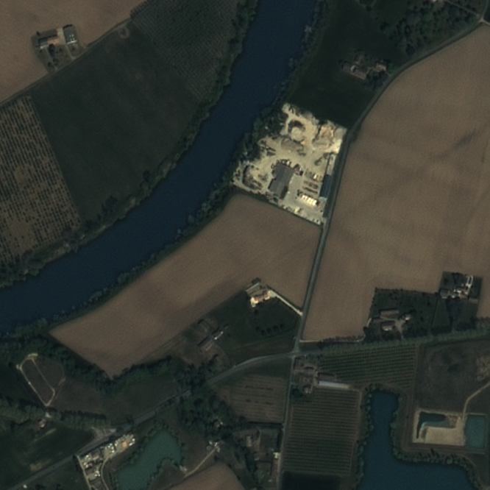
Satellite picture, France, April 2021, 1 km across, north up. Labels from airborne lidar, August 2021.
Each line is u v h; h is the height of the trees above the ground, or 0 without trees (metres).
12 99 0
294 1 0
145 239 0
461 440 0
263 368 0
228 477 0
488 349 0
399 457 7
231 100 0
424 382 0
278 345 0
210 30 25
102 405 0
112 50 0
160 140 0
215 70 27
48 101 0
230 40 22
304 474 0
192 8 25
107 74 0
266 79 0
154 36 24
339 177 0
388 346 28
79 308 10
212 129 0
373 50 0
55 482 0
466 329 0
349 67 0
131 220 0
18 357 26
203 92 26
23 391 0
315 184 0
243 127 0
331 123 0
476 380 0
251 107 0
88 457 0
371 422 13
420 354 0
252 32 0
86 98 0
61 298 0
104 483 0
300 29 0
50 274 0
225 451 26
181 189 0
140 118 0
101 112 0
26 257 14
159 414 12
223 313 0
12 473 0
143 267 12
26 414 24
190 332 0
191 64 25
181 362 0
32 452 0
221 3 26
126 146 0
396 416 11
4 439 0
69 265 0
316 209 0
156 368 17
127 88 0
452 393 0
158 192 0
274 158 0
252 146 19
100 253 0
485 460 0
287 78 5
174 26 27
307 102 0
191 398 9
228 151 0
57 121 0
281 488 0
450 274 0
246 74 0
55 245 0
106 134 0
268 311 0
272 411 0
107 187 0
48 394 0
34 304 0
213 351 0
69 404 0
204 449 0
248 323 0
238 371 0
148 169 0
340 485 0
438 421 0
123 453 0
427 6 12
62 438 0
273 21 0
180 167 0
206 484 0
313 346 0
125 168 0
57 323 8
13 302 0
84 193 0
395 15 0
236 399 0
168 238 0
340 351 30
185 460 6
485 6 0
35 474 0
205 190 0
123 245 0
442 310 0
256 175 0
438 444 0
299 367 0
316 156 0
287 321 0
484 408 0
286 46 0
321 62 0
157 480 0
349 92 0
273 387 0
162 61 0
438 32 9
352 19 0
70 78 0
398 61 0
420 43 15
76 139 0
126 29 0
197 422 12
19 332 24
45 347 24
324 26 16
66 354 15
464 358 0
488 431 0
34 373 0
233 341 0
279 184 0
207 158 0
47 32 0
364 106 0
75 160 0
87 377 13
